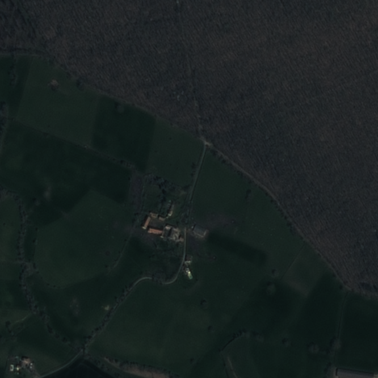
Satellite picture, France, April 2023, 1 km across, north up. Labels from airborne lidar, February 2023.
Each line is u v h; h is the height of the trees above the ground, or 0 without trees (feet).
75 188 0
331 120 76
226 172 0
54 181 0
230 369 0
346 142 70
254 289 0
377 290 63
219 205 0
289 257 0
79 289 0
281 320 0
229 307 0
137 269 0
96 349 0
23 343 0
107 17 84
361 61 81
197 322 0
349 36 84
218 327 0
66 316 0
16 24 0
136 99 73
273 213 0
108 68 88
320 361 0
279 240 0
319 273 0
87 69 78
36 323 0
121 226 0
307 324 0
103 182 0
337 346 52
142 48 79
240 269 0
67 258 0
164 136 0
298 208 68
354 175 71
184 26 77
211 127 73
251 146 82
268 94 83
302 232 64
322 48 81
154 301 0
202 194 0
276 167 74
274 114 85
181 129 37
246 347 0
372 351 0
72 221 0
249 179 38
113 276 0
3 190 61
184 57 73
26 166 0
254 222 0
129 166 31
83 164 0
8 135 0
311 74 80
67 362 0
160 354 0
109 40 87
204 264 0
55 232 0
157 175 0
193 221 0
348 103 71
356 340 0
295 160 77
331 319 0
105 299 0
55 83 0
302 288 0
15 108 0
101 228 0
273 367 0
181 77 82
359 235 72
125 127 0
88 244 0
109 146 0
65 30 92
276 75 78
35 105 0
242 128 91
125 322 0
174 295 0
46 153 0
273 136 83
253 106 95
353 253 77
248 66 84
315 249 60
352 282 59
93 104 0
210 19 90
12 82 43
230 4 88
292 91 89
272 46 80
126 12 94
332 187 70
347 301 0
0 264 0
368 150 75
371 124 81
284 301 0
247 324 0
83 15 86
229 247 0
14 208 0
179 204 34
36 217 0
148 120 0
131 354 0
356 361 0
